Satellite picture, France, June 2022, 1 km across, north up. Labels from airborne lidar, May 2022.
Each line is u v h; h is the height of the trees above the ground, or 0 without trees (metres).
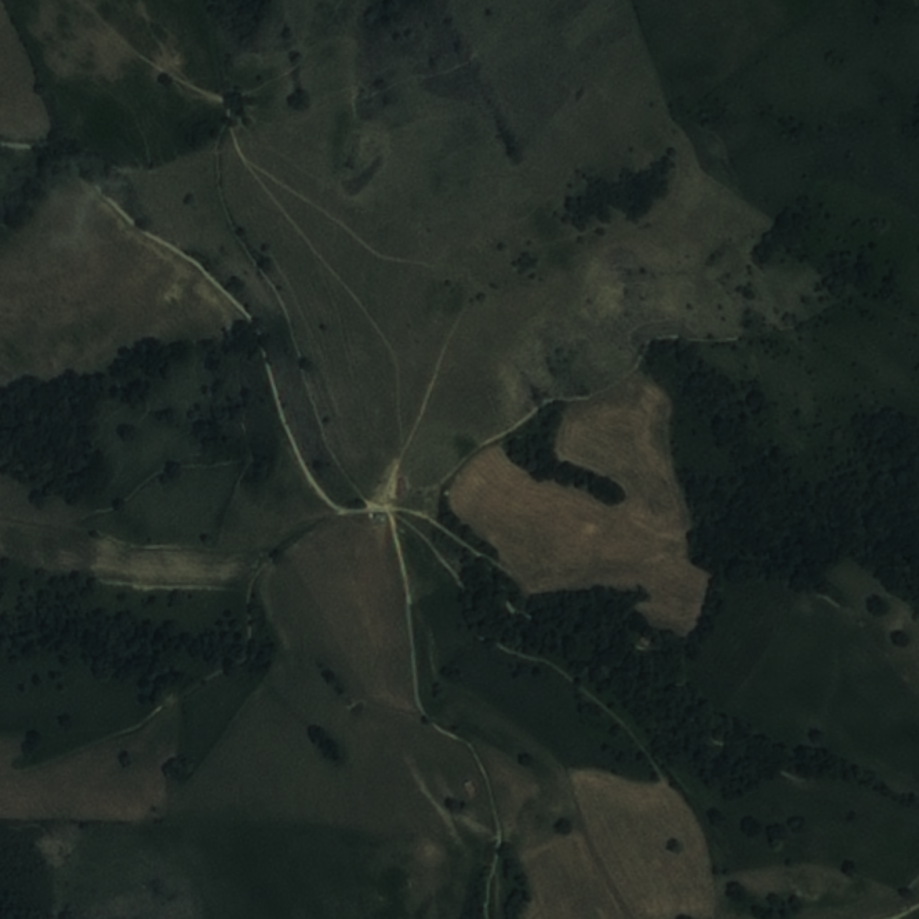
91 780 0
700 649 18
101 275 0
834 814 0
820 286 8
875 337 0
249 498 0
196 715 0
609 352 0
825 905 0
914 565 27
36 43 0
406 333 0
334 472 0
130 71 0
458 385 0
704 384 16
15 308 0
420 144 0
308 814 0
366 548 0
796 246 8
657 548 0
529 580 0
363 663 0
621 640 14
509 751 0
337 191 0
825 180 0
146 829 0
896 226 0
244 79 0
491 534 0
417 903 0
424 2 14
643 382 0
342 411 0
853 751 0
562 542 0
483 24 0
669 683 7
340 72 0
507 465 0
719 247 0
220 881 0
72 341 0
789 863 9
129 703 0
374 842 0
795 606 0
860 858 0
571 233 0
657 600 0
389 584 0
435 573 0
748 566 24
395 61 0
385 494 0
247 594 0
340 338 0
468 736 0
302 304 0
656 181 6
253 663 6
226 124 10
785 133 7
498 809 0
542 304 0
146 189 0
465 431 0
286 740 0
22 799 0
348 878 0
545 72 0
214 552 0
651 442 0
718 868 5
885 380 0
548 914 0
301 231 0
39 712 0
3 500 0
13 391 16
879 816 0
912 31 0
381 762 0
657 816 0
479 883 8
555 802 0
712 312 0
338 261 0
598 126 0
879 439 9
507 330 0
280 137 0
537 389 6
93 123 0
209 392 12
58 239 0
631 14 0
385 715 0
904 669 0
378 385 0
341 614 0
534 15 0
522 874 13
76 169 11
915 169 0
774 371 0
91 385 18
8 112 0
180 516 0
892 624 0
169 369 16
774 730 0
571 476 18
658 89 0
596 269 0
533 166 0
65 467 13
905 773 0
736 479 12
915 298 0
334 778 0
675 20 0
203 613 0
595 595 16
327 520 0
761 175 0
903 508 14
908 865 0
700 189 0
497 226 0
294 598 0
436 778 0
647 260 0
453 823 0
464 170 0
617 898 0
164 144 0
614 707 11
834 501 16
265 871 0
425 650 0
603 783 0
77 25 0
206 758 0
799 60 0
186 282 0
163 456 0
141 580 0
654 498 0
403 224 0
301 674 0
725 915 0
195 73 0
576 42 0
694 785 0
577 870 0
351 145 0
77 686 0
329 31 0
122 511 10
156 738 0
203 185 0
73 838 0
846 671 0
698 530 9
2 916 13
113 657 9
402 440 0
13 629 13
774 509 23
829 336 0
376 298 0
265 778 0
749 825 14
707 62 0
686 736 8
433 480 0
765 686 0
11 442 20
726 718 14
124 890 0
